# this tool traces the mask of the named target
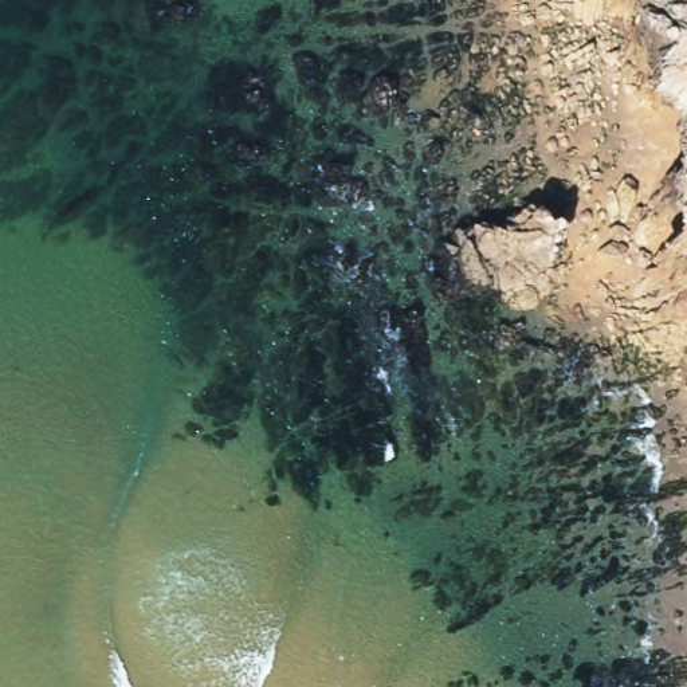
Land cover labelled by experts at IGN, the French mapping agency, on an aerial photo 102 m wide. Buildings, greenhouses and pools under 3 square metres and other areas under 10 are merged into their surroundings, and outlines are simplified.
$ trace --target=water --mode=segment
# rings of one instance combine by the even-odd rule
[[[386,83],[400,81],[400,72],[411,62],[421,59],[421,43],[405,40],[392,51],[392,56],[384,56],[381,48],[362,46],[349,38],[322,35],[322,43],[333,48],[330,54],[319,56],[309,51],[293,56],[301,86],[317,105],[314,118],[301,118],[276,97],[282,70],[276,59],[271,59],[274,43],[260,46],[260,38],[282,19],[282,5],[263,8],[250,21],[236,21],[231,16],[217,16],[215,8],[204,0],[0,0],[0,687],[131,687],[126,666],[140,663],[145,647],[140,620],[145,609],[142,604],[137,604],[137,598],[123,598],[113,588],[81,596],[70,569],[70,553],[64,539],[64,521],[70,510],[78,505],[78,499],[86,491],[91,491],[99,499],[129,513],[134,494],[148,478],[148,467],[156,462],[161,443],[185,443],[193,437],[207,445],[223,448],[228,440],[239,435],[239,419],[258,419],[263,424],[266,448],[274,456],[276,475],[293,480],[293,488],[309,502],[311,510],[319,507],[319,478],[335,467],[344,472],[349,488],[357,496],[368,496],[373,486],[381,480],[376,478],[376,467],[384,462],[384,448],[397,437],[392,424],[378,421],[394,413],[392,397],[384,392],[384,384],[376,376],[378,344],[384,338],[381,317],[386,311],[419,311],[424,317],[421,301],[400,306],[400,295],[394,290],[389,290],[384,282],[373,282],[370,276],[368,284],[333,282],[333,268],[335,263],[344,263],[344,255],[338,255],[330,244],[327,220],[317,217],[311,209],[311,204],[338,207],[341,199],[330,196],[330,185],[352,185],[357,191],[365,188],[362,177],[352,172],[352,166],[357,161],[360,145],[373,145],[373,134],[365,134],[360,126],[349,126],[344,121],[344,107],[352,105],[352,94],[362,83],[360,78],[370,67]]]

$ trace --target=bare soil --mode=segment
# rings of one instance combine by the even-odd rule
[[[378,421],[392,424],[397,437],[384,448],[384,462],[376,467],[376,478],[381,480],[373,486],[368,496],[357,496],[349,488],[344,472],[335,467],[319,478],[319,507],[311,510],[309,502],[293,488],[293,480],[276,475],[274,456],[266,448],[263,424],[258,419],[239,419],[239,435],[228,440],[223,448],[207,445],[193,437],[185,443],[161,443],[156,462],[148,467],[148,478],[134,494],[129,513],[99,499],[91,491],[86,491],[78,499],[78,505],[70,510],[64,521],[64,539],[70,553],[70,569],[81,596],[113,588],[123,598],[137,598],[137,604],[142,604],[145,609],[140,620],[145,647],[140,663],[126,666],[131,687],[687,687],[687,0],[204,0],[215,8],[217,16],[231,16],[236,21],[250,21],[263,8],[282,5],[282,19],[260,38],[260,46],[274,43],[271,59],[276,59],[282,70],[276,97],[301,118],[314,118],[317,105],[301,86],[293,56],[309,51],[319,56],[330,54],[333,48],[322,43],[322,35],[349,38],[362,46],[381,48],[384,56],[392,56],[392,51],[405,40],[421,43],[421,59],[411,62],[400,72],[400,81],[386,83],[370,67],[360,78],[362,83],[352,94],[352,105],[344,107],[344,121],[349,126],[360,126],[365,134],[373,134],[373,145],[360,145],[357,161],[352,166],[352,172],[362,177],[365,188],[357,191],[352,185],[330,185],[330,196],[341,199],[338,207],[311,204],[311,209],[317,217],[327,220],[330,244],[338,255],[344,255],[344,263],[335,263],[333,268],[333,282],[368,284],[370,276],[373,282],[384,282],[389,290],[394,290],[400,295],[400,306],[421,301],[424,317],[419,311],[386,311],[381,317],[384,338],[378,344],[376,376],[384,384],[384,392],[392,397],[394,413]]]

